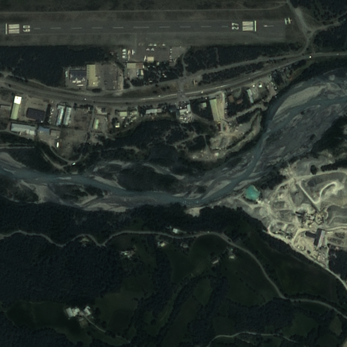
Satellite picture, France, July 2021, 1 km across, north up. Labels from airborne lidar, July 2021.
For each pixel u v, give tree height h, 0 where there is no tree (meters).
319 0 8
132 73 0
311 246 0
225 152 0
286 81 0
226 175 0
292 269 0
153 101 0
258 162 0
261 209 0
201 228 13
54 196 0
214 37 0
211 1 0
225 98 0
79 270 20
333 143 7
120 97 0
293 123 0
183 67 6
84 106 7
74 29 0
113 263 15
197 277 8
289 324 14
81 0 0
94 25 0
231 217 8
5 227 11
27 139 8
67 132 0
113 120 9
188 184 0
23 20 0
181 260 0
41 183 0
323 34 11
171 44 0
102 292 16
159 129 6
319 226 0
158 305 20
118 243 0
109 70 0
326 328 15
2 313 11
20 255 21
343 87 0
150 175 6
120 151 9
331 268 12
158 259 14
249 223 11
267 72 0
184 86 0
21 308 0
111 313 0
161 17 0
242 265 0
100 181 0
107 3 0
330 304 10
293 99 0
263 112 8
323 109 0
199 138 11
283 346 11
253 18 0
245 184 0
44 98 0
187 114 0
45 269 11
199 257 0
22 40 0
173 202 0
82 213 7
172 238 7
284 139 0
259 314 15
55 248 23
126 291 0
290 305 18
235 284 0
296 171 0
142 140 8
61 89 0
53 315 0
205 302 0
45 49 8
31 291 16
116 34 0
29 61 10
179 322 0
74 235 15
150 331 0
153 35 0
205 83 8
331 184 0
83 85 0
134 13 0
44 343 18
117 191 0
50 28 0
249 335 8
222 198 0
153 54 0
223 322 0
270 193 0
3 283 14
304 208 0
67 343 21
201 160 0
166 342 0
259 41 0
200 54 9
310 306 0
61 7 0
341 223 0
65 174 6
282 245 17
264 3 0
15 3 0
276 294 0
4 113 0
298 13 0
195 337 8
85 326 0
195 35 0
